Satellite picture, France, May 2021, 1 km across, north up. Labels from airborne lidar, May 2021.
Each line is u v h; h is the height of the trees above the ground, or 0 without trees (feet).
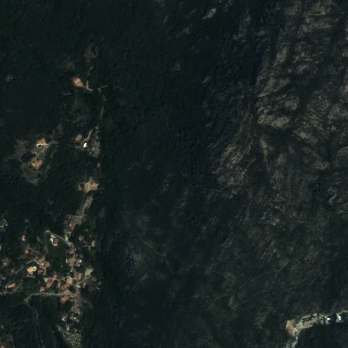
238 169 0
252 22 37
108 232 39
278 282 21
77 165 52
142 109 66
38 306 41
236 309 37
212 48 19
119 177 40
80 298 0
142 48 18
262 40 40
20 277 31
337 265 60
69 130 40
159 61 42
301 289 26
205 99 36
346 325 20
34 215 50
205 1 17
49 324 59
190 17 23
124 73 31
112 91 31
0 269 39
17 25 41
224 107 20
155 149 23
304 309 24
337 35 39
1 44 54
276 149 25
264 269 64
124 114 46
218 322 19
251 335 18
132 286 40
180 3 31
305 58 19
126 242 31
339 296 24
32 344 47
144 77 50
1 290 53
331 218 18
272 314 32
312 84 37
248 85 28
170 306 48
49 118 38
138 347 36
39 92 19
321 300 21
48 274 28
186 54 22
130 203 20
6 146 24
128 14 43
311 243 28
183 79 19
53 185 49
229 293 17
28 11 35
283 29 24
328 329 24
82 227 33
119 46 60
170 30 46
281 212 22
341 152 29
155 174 28
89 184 0
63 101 42
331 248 31
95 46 59
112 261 34
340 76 28
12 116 39
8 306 58
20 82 40
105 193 47
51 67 64
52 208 35
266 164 22
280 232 18
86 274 0
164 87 54
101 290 35
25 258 25
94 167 30
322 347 23
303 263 25
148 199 18
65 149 39
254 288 23
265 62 0
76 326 33
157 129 24
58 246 0
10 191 63
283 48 0
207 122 21
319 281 27
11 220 49
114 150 53
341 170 18
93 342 57
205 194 36
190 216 43
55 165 51
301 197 25
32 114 21
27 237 22
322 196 53
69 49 53
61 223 41
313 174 34
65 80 66
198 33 23
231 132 51
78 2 50
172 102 24
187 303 24
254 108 41
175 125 19
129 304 28
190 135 21
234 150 23
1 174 41
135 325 19
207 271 0
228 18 23
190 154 23
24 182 27
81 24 62
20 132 25
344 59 28
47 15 50
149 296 20
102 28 47
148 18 29
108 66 44
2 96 37
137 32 25
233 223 39
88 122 26
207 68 24
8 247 31
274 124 24
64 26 44
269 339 23
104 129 36
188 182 33
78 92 20
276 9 24
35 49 58
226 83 46
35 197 34
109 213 56
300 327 0
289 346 0
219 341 38
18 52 19
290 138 29
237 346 25
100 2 51
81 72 37
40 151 0
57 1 63
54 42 38
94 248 30
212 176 43
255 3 19
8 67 40
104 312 61
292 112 47
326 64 32
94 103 58
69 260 0
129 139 52
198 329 23
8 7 45
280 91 19
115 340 33
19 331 34
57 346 27
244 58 40
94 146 0
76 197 46
